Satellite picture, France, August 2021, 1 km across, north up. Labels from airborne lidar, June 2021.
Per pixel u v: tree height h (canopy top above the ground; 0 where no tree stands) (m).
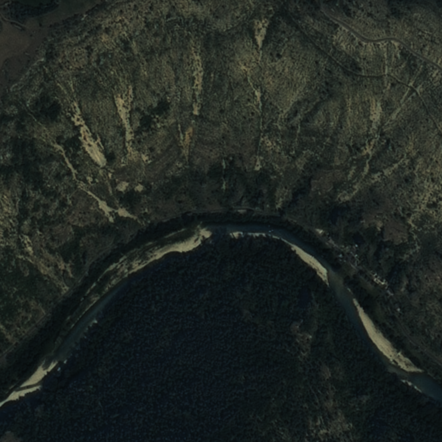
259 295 16
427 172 0
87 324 0
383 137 8
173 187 7
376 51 0
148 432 13
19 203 8
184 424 7
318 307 9
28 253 7
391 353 0
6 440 0
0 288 6
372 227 10
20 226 7
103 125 0
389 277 10
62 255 11
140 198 6
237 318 11
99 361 13
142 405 10
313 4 10
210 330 14
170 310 10
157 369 13
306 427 15
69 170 7
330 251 11
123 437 13
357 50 0
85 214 6
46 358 0
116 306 12
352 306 0
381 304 6
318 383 10
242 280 9
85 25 7
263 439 10
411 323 8
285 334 8
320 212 7
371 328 0
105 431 11
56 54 7
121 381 11
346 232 6
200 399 12
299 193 15
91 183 6
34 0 0
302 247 0
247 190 12
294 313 8
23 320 8
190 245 0
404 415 14
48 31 0
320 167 9
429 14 0
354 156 8
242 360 10
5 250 9
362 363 14
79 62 0
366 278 16
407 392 21
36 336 10
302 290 17
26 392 0
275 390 8
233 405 10
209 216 15
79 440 9
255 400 5
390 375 20
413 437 11
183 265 17
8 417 21
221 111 9
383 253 23
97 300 0
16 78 0
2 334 6
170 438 6
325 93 7
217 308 7
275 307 9
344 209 6
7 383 16
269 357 9
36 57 0
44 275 7
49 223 7
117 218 8
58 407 5
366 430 8
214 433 8
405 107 0
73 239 6
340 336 15
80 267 9
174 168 0
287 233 0
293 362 9
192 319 10
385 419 18
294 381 9
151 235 19
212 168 11
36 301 6
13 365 13
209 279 7
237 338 16
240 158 8
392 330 10
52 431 12
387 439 6
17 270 6
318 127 16
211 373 15
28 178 10
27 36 0
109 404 15
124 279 0
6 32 0
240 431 8
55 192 7
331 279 0
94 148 0
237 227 0
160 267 16
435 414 26
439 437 15
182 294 10
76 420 7
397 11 10
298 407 10
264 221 17
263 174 7
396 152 10
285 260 20
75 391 11
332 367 7
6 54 0
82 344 12
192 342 17
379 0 0
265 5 6
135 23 0
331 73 10
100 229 7
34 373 0
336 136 13
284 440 8
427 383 0
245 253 20
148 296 13
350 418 9
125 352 8
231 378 12
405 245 10
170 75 0
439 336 9
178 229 8
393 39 0
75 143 7
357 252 7
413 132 0
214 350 17
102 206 0
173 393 15
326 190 18
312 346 7
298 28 5
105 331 10
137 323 7
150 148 7
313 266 0
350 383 7
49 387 28
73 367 24
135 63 0
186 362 13
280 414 8
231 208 10
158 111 7
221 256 14
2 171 10
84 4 0
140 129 7
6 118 9
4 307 7
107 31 6
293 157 12
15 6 8
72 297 8
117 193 7
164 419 13
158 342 12
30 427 13
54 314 16
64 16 0
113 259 17
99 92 0
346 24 0
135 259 0
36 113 7
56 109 8
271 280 8
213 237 0
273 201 9
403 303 10
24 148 9
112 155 8
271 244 25
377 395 15
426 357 8
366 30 0
